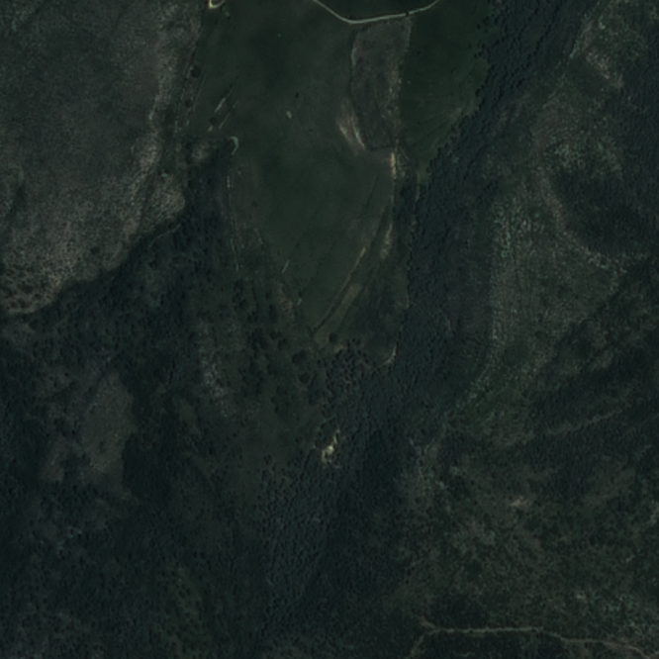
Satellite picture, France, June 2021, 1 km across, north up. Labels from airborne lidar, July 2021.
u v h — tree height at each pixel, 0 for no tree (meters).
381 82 0
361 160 0
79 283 7
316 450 9
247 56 0
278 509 10
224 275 0
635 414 7
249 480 0
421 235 7
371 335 0
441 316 6
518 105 0
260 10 0
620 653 0
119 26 0
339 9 0
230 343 0
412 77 0
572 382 7
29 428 9
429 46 0
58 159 0
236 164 0
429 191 9
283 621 8
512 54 12
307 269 0
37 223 0
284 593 11
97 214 0
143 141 0
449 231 9
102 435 0
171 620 8
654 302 7
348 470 9
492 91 10
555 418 8
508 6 11
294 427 0
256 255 0
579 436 8
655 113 9
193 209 9
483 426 0
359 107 0
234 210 0
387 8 0
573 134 0
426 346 8
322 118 0
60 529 6
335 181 0
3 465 11
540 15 10
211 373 0
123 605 10
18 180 0
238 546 9
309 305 0
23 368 7
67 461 8
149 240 6
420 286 10
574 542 7
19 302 6
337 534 6
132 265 8
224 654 9
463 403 0
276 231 0
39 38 0
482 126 8
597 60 0
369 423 8
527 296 0
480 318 0
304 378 10
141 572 7
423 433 7
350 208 0
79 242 0
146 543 7
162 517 9
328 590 9
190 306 0
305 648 6
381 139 0
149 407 7
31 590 6
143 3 0
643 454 6
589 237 6
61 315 7
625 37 0
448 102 0
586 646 6
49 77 0
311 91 0
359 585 8
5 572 8
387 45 0
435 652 9
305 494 7
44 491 8
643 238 6
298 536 10
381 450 6
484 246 0
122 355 8
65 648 7
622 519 8
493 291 0
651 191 7
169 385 6
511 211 0
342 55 0
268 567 8
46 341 7
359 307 0
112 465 0
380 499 6
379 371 6
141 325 8
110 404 0
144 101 0
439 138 0
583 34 0
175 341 11
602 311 7
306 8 0
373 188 0
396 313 0
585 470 9
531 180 0
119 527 7
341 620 6
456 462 7
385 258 0
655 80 5
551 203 0
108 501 6
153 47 0
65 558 7
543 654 7
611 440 7
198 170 6
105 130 0
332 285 0
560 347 8
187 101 9
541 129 0
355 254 0
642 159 6
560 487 6
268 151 0
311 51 0
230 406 0
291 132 0
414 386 7
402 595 0
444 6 0
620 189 7
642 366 7
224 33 0
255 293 6
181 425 6
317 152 0
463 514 0
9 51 0
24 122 0
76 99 0
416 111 0
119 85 0
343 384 9
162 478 9
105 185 0
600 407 7
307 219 0
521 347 0
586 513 0
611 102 8
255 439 0
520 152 0
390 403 8
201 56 0
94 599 7
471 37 0
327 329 0
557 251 0
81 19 0
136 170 0
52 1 0
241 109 0
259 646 7
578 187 7
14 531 8
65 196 0
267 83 0
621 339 6
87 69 0
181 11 0
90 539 11
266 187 0
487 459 7
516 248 0
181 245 8
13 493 12
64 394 6
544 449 7
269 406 0
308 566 12
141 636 6
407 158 0
